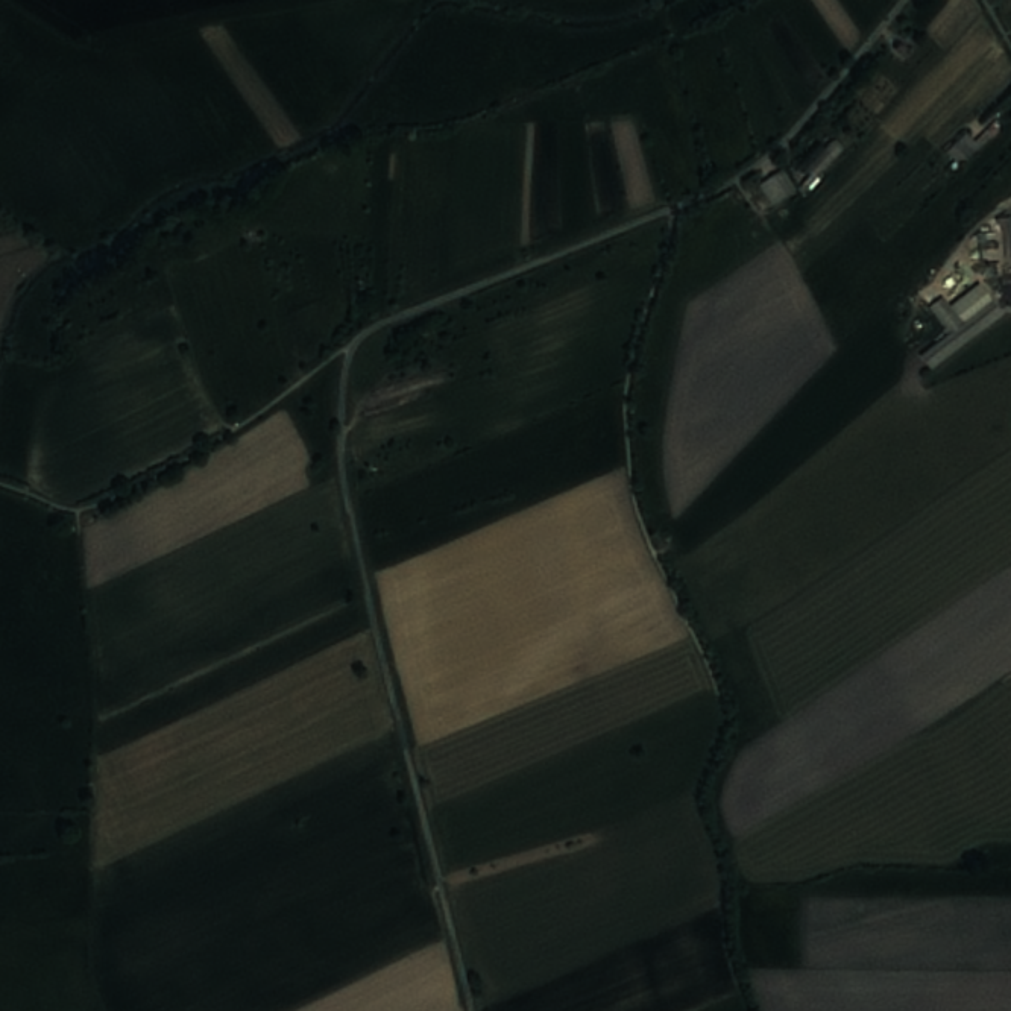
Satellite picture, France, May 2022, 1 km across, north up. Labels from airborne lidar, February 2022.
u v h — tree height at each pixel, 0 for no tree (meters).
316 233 0
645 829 0
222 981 0
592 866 0
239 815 0
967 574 0
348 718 0
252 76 0
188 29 0
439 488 0
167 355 0
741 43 0
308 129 0
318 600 0
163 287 0
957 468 0
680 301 0
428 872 0
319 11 0
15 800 0
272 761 0
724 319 0
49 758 0
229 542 0
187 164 0
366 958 0
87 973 0
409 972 0
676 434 0
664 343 0
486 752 0
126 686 0
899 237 0
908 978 0
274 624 0
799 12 0
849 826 0
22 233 7
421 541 0
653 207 0
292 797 0
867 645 0
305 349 0
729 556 0
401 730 0
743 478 0
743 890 12
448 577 0
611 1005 0
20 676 0
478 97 0
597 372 0
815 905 0
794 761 0
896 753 0
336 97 0
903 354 0
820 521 0
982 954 0
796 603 0
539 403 0
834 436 0
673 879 0
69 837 19
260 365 0
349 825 0
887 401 0
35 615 0
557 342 0
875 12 0
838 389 0
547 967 0
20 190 0
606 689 0
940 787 0
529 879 0
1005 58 0
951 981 0
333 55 0
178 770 0
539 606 0
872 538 0
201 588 0
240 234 0
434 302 0
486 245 0
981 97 0
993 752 0
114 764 0
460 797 0
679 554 0
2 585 0
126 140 0
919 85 0
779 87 0
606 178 0
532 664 0
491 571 0
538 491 0
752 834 0
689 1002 0
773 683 0
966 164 8
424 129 6
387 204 0
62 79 0
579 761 0
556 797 0
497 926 0
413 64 0
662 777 0
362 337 0
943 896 0
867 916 0
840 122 6
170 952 0
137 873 0
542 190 0
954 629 0
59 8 0
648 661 0
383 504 0
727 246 0
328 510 0
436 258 0
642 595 0
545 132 0
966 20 0
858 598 0
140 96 0
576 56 0
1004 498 0
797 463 0
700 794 14
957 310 0
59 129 0
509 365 0
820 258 0
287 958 0
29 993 0
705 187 12
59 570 0
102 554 0
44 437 0
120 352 0
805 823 0
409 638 0
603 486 0
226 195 19
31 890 0
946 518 0
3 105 0
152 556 0
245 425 0
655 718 0
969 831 0
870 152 0
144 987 0
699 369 0
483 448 0
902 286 0
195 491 0
